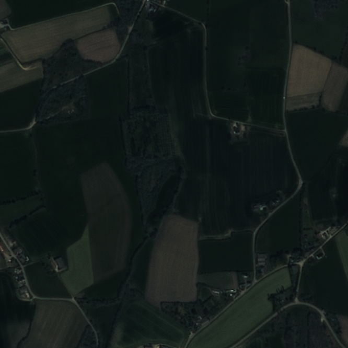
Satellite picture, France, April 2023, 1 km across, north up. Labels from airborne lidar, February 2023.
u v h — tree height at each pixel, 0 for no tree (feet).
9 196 0
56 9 0
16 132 0
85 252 0
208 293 0
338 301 0
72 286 0
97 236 0
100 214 0
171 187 0
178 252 0
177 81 0
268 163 0
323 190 0
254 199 0
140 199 33
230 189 0
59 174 0
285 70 0
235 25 0
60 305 0
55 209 0
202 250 0
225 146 0
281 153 0
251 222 0
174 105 0
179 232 0
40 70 0
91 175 0
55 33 0
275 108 0
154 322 0
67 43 38
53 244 0
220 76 0
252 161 0
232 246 0
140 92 0
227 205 0
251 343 0
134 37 40
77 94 24
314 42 0
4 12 0
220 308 21
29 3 0
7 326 0
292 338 76
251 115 0
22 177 0
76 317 0
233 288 0
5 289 0
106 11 0
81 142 0
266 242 0
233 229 0
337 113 26
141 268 0
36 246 0
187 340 0
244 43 0
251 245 0
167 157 35
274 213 0
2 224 0
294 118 0
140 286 0
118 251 0
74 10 0
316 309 0
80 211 0
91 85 0
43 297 0
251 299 0
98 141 0
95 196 0
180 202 0
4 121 0
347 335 0
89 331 26
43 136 0
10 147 0
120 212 0
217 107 0
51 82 22
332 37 0
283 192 0
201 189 0
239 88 0
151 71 0
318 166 0
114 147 0
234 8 0
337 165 0
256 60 0
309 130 0
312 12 0
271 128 0
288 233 0
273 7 0
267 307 0
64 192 0
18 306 0
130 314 0
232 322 0
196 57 0
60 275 0
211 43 0
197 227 0
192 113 0
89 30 0
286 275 0
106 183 0
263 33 0
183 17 0
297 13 0
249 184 0
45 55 0
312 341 50
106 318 0
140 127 89
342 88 0
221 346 0
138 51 0
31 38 0
